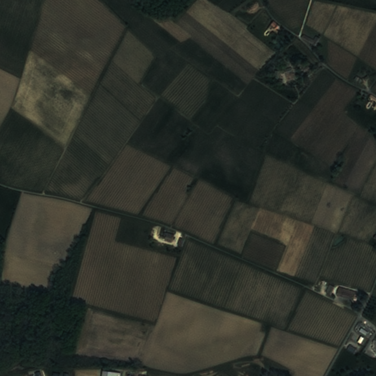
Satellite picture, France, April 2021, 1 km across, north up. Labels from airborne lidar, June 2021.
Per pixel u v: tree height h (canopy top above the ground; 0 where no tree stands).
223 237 0
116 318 0
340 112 0
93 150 0
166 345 0
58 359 9
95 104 0
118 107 0
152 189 0
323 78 0
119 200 0
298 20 0
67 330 25
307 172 0
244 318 0
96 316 0
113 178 0
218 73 0
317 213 0
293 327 0
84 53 0
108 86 0
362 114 0
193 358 0
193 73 0
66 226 0
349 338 0
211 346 0
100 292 0
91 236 0
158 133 0
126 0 0
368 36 0
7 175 0
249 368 0
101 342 0
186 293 0
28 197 0
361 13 0
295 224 0
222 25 0
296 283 0
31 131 0
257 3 0
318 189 0
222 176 0
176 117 0
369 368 11
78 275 0
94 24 0
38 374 0
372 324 0
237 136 0
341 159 16
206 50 0
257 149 0
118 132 0
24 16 0
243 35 0
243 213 0
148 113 0
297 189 0
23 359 22
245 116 0
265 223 0
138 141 0
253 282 0
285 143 0
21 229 0
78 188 0
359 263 0
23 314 26
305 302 0
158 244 0
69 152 0
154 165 0
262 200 0
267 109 0
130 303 0
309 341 0
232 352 0
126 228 0
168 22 0
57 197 0
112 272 0
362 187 0
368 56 0
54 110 0
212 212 0
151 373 0
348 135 0
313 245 0
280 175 0
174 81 0
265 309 0
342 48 0
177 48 0
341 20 0
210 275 0
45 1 0
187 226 0
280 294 0
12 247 0
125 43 0
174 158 0
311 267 0
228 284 0
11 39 0
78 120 0
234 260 0
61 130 0
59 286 16
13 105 0
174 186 0
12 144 0
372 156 0
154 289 0
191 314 0
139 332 0
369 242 0
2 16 0
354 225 0
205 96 0
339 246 0
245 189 0
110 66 0
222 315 0
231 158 0
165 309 0
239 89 0
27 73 0
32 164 0
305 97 0
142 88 0
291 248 0
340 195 0
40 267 0
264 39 0
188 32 0
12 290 24
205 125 0
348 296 0
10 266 0
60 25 0
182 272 0
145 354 0
